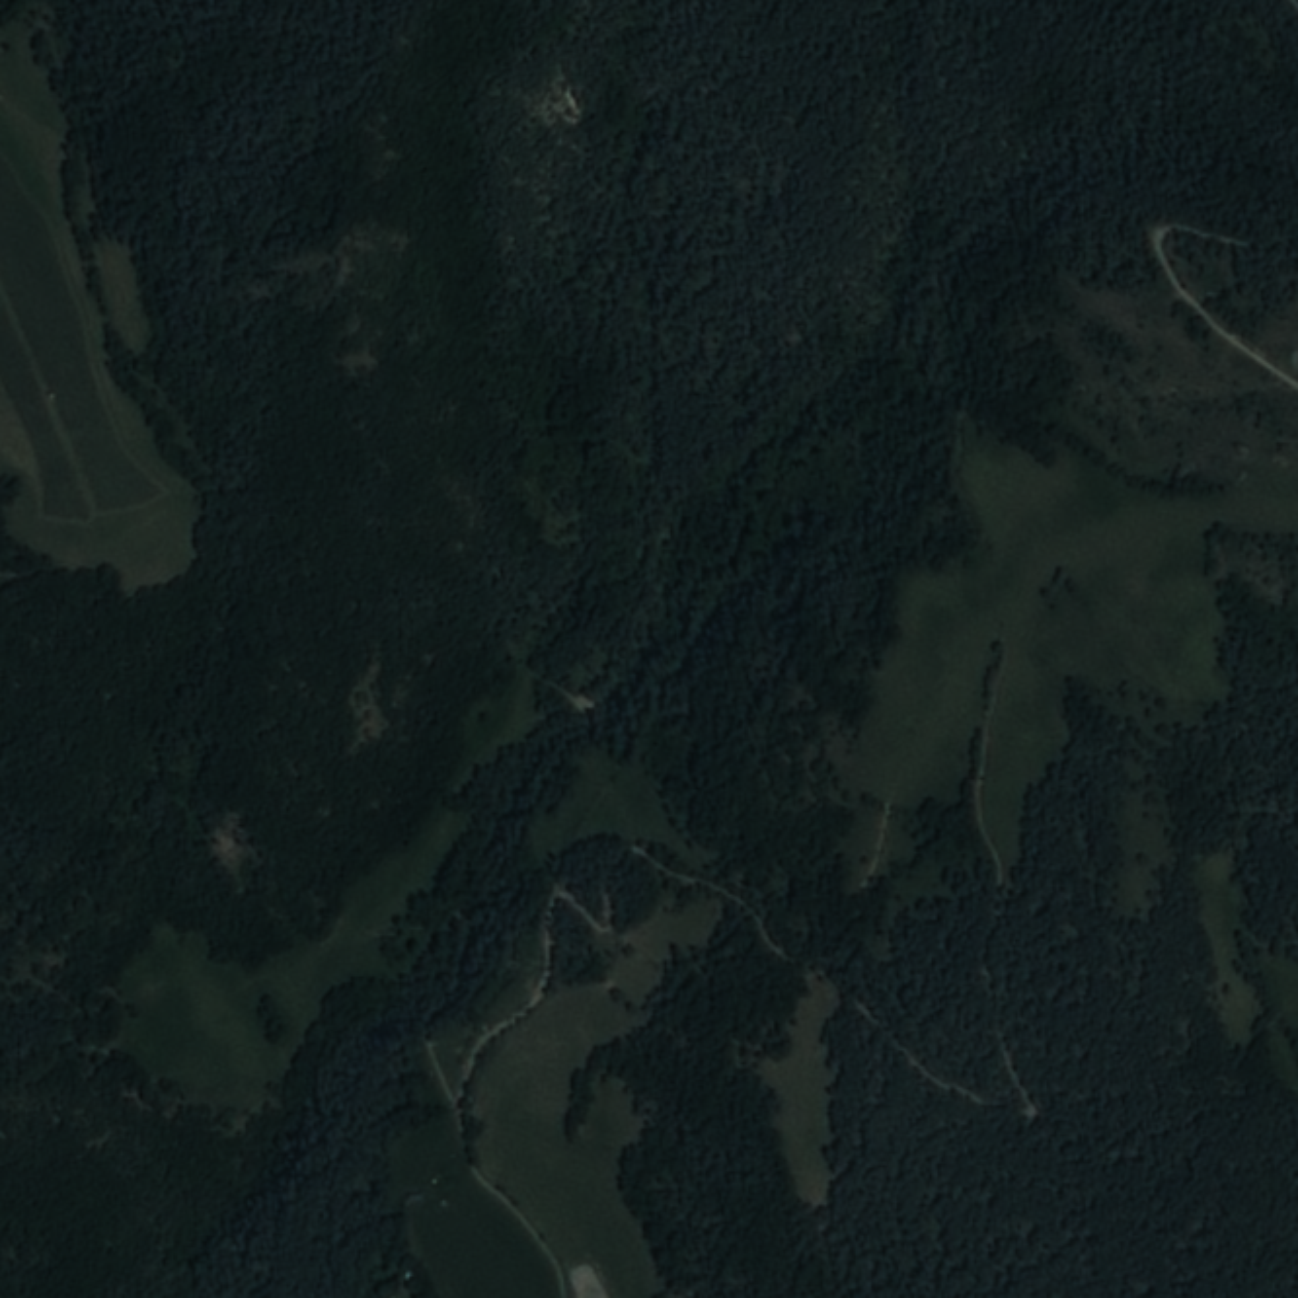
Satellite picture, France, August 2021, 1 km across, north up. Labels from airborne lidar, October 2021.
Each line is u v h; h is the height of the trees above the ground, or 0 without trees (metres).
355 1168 17
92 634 11
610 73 13
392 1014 14
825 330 7
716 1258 7
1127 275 11
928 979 12
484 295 6
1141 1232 15
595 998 0
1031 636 0
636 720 13
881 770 0
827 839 8
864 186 12
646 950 0
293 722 9
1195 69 9
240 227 15
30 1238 14
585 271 13
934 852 11
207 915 15
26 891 12
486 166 15
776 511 6
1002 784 0
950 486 8
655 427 11
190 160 11
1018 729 0
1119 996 14
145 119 18
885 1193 10
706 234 15
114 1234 10
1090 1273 8
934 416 13
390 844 15
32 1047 13
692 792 15
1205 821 15
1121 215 8
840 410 6
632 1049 11
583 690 8
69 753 10
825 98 16
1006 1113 11
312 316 8
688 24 8
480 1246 0
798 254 11
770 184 13
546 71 14
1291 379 0
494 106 13
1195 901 9
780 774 10
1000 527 0
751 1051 10
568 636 12
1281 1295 12
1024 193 15
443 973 12
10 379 0
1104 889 11
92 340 0
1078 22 11
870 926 11
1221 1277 13
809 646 13
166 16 15
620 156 10
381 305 9
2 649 8
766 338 15
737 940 12
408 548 12
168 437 6
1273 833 12
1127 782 11
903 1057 13
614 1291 0
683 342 9
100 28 6
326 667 8
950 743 0
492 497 8
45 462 0
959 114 11
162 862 14
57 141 0
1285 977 0
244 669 14
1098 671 0
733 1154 11
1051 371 7
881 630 11
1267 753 15
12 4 11
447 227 13
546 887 9
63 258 0
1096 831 10
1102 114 7
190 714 13
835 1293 10
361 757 7
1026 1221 13
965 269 14
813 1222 11
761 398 15
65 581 14
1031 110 10
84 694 13
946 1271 14
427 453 8
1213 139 14
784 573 14
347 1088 13
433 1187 0
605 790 0
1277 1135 17
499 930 12
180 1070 0
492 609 12
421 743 14
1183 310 8
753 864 11
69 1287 11
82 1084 9
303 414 8
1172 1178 13
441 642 8
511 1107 0
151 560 0
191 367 11
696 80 9
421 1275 12
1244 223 18
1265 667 11
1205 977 11
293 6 14
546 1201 0
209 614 16
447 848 0
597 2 10
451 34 13
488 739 0
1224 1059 11
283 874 13
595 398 23
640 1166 9
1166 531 0
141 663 14
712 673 11
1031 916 13
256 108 12
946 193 15
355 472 7
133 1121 15
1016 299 7
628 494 10
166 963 0
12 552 12
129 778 15
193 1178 13
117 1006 17
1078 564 0
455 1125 0
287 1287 10
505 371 11
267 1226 15
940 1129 6
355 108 10
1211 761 10
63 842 11
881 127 6
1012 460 0
